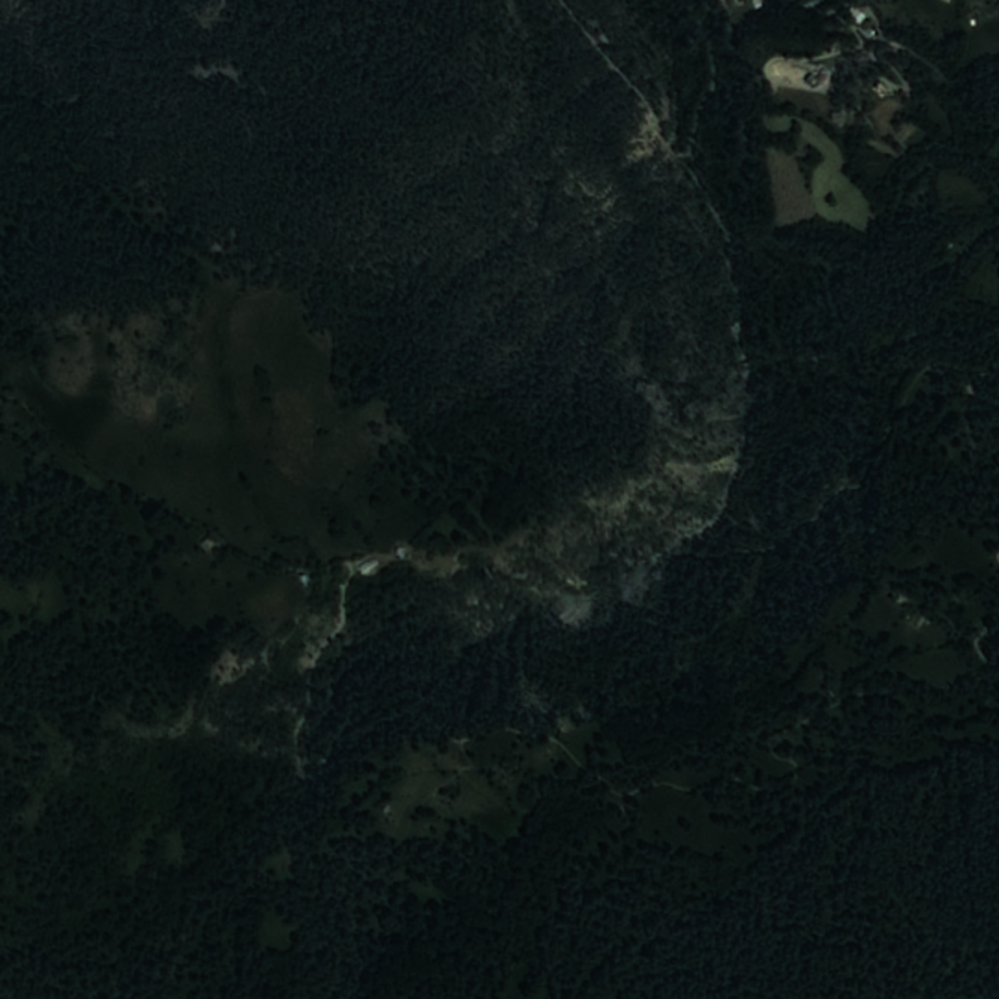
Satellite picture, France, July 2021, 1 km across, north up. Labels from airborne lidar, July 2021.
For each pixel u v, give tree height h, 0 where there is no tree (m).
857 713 19
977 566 0
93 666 18
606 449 14
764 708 18
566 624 9
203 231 7
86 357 0
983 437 20
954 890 29
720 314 24
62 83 12
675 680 6
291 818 21
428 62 17
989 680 12
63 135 20
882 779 23
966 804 14
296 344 0
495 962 13
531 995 23
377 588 12
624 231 14
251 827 13
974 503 18
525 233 12
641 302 14
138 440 0
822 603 24
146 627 19
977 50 0
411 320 23
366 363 13
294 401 0
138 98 17
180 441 0
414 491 8
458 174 11
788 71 0
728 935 26
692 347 8
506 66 8
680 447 7
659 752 20
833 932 27
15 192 14
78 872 21
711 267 17
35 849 8
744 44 20
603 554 16
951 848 32
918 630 0
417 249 15
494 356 13
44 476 8
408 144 16
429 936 25
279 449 0
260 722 8
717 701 25
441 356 15
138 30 17
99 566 24
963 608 10
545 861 24
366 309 23
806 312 19
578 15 16
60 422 0
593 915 21
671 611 10
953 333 10
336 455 0
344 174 19
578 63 21
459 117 20
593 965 8
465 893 21
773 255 15
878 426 5
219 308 0
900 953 27
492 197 20
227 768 21
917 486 19
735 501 11
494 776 9
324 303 15
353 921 11
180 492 0
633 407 21
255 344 0
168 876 20
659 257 7
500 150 8
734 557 10
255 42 16
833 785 11
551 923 13
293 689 11
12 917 6
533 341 15
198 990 9
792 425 15
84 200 22
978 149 14
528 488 22
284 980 15
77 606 9
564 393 23
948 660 0
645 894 14
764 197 20
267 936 0
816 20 24
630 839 9
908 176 8
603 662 14
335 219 13
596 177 8
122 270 28
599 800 9
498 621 11
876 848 27
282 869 0
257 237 15
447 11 18
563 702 7
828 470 18
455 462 6
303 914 24
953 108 14
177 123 15
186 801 20
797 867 15
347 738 12
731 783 14
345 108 18
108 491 6
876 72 9
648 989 13
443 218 9
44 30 15
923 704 13
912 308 22
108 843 9
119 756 9
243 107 20
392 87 15
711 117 18
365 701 24
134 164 12
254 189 20
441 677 24
